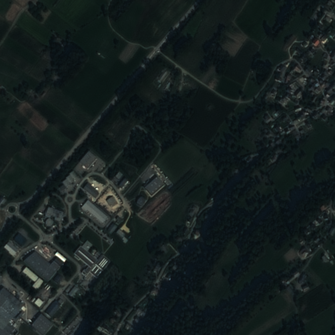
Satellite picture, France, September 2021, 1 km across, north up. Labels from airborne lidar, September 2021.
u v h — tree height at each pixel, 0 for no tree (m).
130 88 27
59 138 0
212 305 0
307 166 0
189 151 0
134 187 0
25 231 0
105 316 23
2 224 0
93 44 0
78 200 0
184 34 0
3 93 12
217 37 17
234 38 0
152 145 26
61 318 0
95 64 0
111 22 0
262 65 16
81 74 0
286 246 23
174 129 21
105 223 0
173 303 18
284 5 0
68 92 0
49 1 0
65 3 0
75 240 14
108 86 0
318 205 18
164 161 0
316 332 0
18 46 0
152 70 17
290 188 0
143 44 0
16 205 0
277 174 0
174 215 0
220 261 18
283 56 0
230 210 22
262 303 13
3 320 0
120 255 0
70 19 0
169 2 0
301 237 13
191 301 0
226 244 23
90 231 0
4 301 0
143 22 0
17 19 0
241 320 22
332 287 0
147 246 0
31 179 0
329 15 0
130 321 0
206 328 27
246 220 25
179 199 0
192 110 10
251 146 0
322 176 0
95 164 0
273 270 0
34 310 0
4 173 0
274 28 7
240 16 0
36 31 0
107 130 0
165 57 0
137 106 14
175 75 10
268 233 27
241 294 0
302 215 21
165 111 15
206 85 0
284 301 0
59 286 0
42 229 0
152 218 0
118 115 0
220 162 26
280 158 10
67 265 12
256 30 0
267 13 0
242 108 0
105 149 23
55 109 0
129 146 9
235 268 0
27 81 0
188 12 0
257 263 0
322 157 0
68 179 0
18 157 0
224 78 0
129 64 0
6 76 0
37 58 0
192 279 29
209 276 24
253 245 20
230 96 0
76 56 34
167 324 14
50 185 21
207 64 24
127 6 9
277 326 0
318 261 0
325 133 0
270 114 0
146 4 0
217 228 27
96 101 0
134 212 0
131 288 0
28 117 0
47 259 0
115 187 0
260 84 8
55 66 14
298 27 0
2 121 0
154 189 0
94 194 0
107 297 19
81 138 0
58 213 0
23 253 0
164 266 6
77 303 16
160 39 0
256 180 0
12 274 17
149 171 0
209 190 0
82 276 0
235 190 22
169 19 0
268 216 21
